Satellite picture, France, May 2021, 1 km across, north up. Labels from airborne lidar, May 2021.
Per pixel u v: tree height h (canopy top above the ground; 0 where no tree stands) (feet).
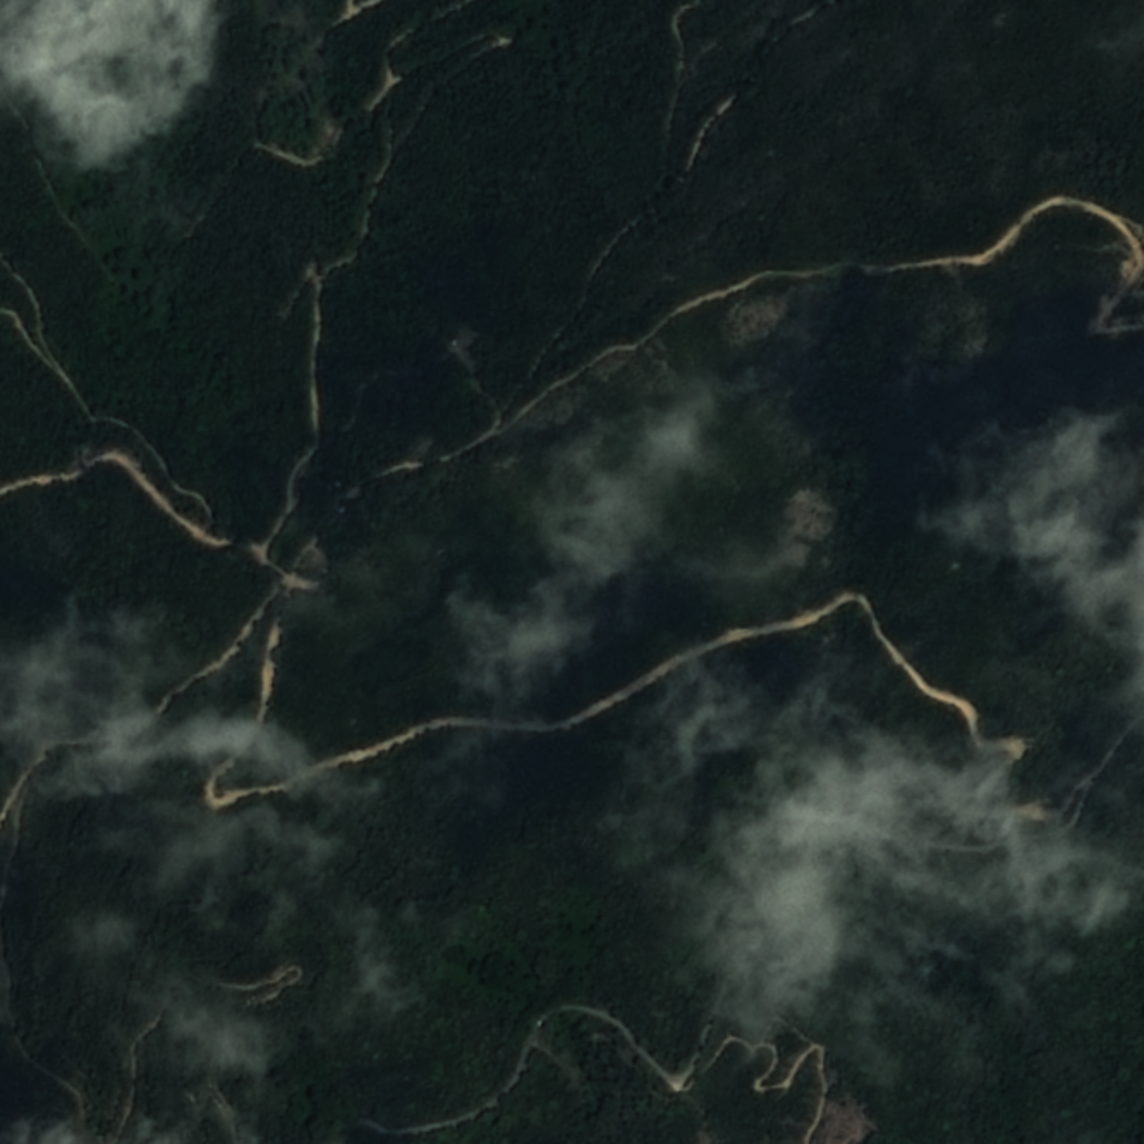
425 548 20
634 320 31
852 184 26
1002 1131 77
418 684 19
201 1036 36
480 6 31
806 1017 33
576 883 25
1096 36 18
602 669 20
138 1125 26
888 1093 18
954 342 21
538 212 31
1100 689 37
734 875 25
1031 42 21
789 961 35
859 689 20
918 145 28
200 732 30
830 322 20
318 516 35
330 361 28
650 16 24
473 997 23
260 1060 73
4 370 42
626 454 18
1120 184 32
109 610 27
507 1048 36
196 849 41
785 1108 23
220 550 34
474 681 38
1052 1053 25
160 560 41
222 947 32
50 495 22
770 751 21
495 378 22
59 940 25
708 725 19
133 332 50
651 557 18
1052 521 20
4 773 19
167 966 38
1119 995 46
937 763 18
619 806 20
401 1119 30
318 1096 80
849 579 30
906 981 47
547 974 57
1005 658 22
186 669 38
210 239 24
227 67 26
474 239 24
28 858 28
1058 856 22
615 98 25
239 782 28
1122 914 33
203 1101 27
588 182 20
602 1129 43
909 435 17
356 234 34
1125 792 23
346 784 22
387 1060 24
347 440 32
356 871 43
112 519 33
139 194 57
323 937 36
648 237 27
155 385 39
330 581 20
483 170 33
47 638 18
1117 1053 52
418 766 29
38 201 44
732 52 20
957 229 21
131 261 56
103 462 29
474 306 29
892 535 21
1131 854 24
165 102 48
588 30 20
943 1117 32
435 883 23
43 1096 43
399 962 38
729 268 23
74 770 42
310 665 21
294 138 43
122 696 20
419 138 20
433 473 41
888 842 39
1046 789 25
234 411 21
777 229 26
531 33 42
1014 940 26
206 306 43
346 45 22
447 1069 30
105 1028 30
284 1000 37
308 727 20
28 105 28
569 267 20
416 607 20
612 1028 34
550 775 20
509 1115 48
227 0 30
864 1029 28
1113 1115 50
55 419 44
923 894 25
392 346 29
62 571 19
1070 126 26
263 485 21
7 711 26
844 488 38
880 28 19
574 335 22
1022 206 24
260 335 21
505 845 18
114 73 31
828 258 18
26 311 34
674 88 26
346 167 31
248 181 25
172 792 25
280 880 20
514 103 22
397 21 18
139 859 21
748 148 24
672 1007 27
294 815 19
